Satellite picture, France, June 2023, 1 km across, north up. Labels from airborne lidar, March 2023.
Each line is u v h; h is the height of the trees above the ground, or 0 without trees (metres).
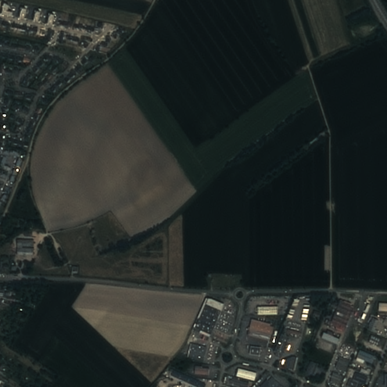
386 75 0
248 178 0
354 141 0
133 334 0
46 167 0
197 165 0
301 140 0
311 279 0
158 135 0
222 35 0
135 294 0
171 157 0
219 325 0
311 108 0
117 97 0
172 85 0
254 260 0
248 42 0
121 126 0
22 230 7
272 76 0
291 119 12
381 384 0
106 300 0
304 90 0
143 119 0
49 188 0
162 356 0
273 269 0
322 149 0
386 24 0
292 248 0
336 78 0
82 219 0
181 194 0
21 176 0
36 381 12
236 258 0
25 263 11
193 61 0
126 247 15
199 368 0
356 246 0
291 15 0
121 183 0
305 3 0
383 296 0
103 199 0
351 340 0
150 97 0
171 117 0
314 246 0
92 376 0
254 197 0
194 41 0
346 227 0
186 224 0
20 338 0
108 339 0
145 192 0
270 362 0
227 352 0
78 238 0
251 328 0
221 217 0
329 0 0
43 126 0
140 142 0
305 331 0
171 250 0
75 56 0
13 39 0
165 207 0
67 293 0
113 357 0
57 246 0
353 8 0
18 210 0
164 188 0
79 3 0
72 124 0
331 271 0
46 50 0
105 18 0
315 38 0
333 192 0
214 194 0
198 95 0
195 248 0
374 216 0
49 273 0
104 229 0
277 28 0
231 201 0
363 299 0
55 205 0
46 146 0
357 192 0
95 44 0
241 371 0
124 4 0
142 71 0
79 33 0
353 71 0
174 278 0
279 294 0
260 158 0
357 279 0
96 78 0
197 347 0
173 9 0
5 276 0
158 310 0
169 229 0
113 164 0
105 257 0
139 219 0
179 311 0
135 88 0
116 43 0
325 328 0
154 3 0
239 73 0
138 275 0
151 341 0
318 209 0
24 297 7
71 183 0
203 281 0
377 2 0
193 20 0
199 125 0
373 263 0
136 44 0
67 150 0
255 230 0
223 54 0
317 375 11
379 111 0
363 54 0
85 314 0
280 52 8
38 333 0
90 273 0
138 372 0
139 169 0
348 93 0
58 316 0
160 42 0
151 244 0
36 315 0
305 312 0
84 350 0
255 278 0
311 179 0
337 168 0
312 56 0
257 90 0
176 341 0
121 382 0
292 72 0
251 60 0
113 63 0
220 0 0
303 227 0
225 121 0
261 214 0
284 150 0
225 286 0
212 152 0
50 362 0
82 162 0
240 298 0
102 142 0
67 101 0
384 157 0
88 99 0
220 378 0
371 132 0
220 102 0
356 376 0
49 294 0
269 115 0
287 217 0
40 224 10
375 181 0
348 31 0
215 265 0
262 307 0
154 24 0
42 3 0
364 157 0
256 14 0
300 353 0
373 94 0
